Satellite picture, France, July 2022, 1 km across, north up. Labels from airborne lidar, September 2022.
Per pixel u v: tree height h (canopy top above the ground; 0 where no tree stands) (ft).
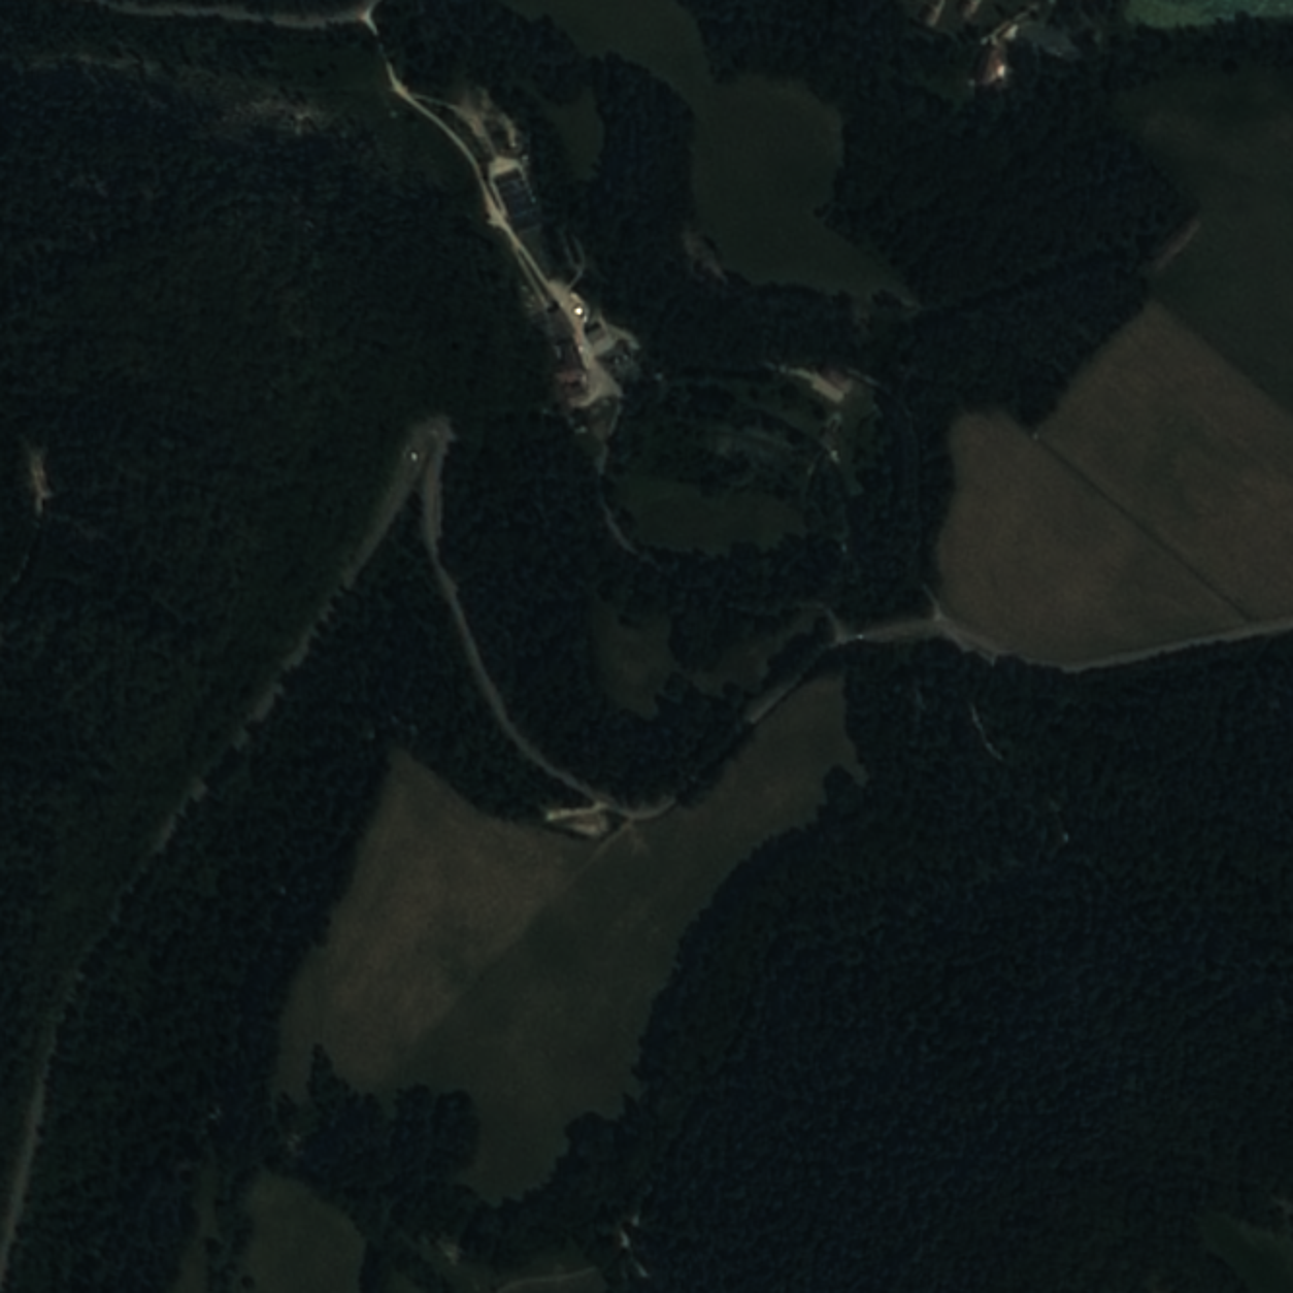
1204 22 0
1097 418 0
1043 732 42
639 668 0
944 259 65
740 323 47
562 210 52
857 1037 109
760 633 63
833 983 76
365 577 36
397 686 100
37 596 46
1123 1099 51
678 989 52
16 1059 57
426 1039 0
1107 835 77
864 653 57
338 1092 30
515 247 0
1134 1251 52
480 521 34
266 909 23
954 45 40
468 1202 37
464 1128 82
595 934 0
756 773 0
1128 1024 69
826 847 67
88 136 87
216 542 44
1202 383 0
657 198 90
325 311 61
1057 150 68
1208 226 0
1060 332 75
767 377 56
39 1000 71
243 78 47
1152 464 0
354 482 69
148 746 46
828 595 41
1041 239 52
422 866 0
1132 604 0
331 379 63
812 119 0
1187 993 100
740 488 27
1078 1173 60
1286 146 0
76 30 28
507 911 0
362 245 82
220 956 64
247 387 39
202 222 31
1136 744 44
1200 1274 54
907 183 74
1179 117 0
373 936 0
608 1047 0
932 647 35
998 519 0
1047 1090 69
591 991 0
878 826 85
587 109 0
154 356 47
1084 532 0
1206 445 0
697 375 68
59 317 45
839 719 0
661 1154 68
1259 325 0
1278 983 58
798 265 0
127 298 46
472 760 31
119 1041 78
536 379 49
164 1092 67
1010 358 66
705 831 0
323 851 68
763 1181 86
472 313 70
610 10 0
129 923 57
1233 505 0
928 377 73
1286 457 0
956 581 0
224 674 56
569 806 39
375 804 57
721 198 0
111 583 46
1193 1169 45
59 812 43
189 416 25
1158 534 0
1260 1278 0
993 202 82
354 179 87
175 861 66
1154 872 108
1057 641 0
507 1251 66
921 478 44
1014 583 0
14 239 61
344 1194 96
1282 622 0
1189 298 0
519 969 0
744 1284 53
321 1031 0
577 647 85
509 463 73
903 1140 93
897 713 75
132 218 53
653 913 0
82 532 47
